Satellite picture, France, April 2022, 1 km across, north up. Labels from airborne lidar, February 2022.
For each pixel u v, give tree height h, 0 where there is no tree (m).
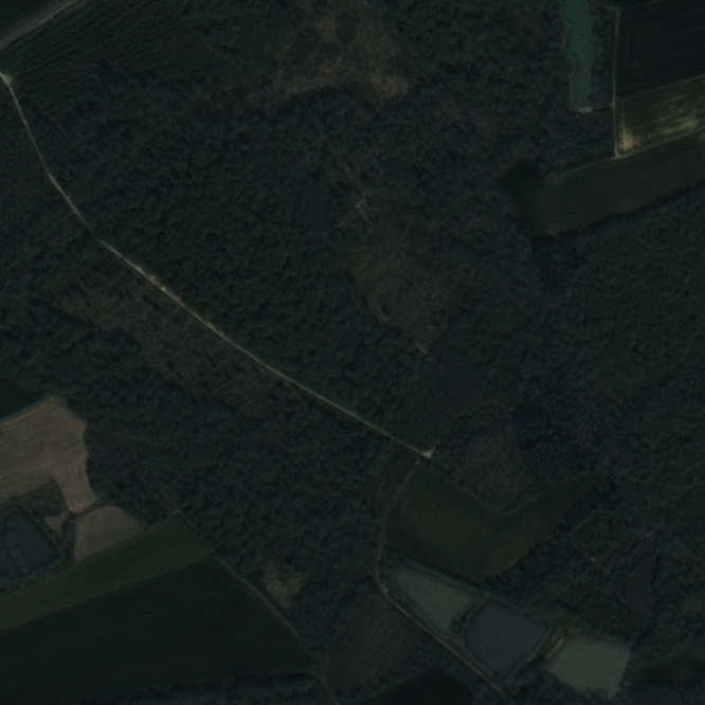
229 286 23
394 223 0
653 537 16
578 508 0
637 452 26
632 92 0
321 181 22
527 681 22
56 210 28
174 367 17
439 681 0
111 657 0
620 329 20
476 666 0
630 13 0
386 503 6
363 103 29
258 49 25
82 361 20
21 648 0
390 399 21
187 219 18
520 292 24
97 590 0
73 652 0
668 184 0
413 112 22
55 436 0
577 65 0
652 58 0
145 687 0
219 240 24
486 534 0
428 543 0
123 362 23
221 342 0
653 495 23
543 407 14
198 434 25
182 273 25
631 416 20
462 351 15
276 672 0
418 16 21
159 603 0
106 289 0
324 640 25
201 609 0
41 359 27
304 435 21
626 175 0
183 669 0
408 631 0
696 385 10
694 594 26
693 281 22
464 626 10
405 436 16
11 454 0
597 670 0
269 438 24
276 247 24
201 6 26
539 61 27
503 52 27
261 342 23
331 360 25
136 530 0
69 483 0
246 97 26
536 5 25
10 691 0
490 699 22
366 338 20
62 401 0
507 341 15
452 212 19
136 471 9
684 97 0
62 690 0
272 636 0
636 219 16
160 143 7
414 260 21
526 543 0
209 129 25
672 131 0
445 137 28
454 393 17
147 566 0
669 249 27
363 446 22
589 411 31
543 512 0
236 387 0
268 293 22
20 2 0
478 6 24
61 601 0
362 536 20
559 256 22
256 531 19
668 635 23
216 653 0
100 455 22
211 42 27
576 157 0
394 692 0
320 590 22
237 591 0
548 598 22
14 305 27
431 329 0
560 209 0
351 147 23
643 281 25
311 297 19
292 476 17
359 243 26
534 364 26
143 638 0
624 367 24
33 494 0
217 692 20
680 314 23
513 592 31
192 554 0
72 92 7
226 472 26
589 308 19
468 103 27
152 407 23
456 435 12
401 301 0
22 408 0
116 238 24
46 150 20
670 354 26
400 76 0
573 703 22
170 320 0
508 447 0
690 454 27
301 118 25
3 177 19
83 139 25
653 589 10
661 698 20
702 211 26
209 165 20
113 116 22
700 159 0
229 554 20
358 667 0
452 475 7
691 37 0
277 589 0
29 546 0
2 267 31
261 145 23
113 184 25
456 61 18
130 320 0
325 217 21
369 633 0
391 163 24
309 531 25
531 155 19
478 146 30
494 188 19
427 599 0
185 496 21
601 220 0
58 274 21
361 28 0
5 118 21
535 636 0
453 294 0
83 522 0
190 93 23
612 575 8
